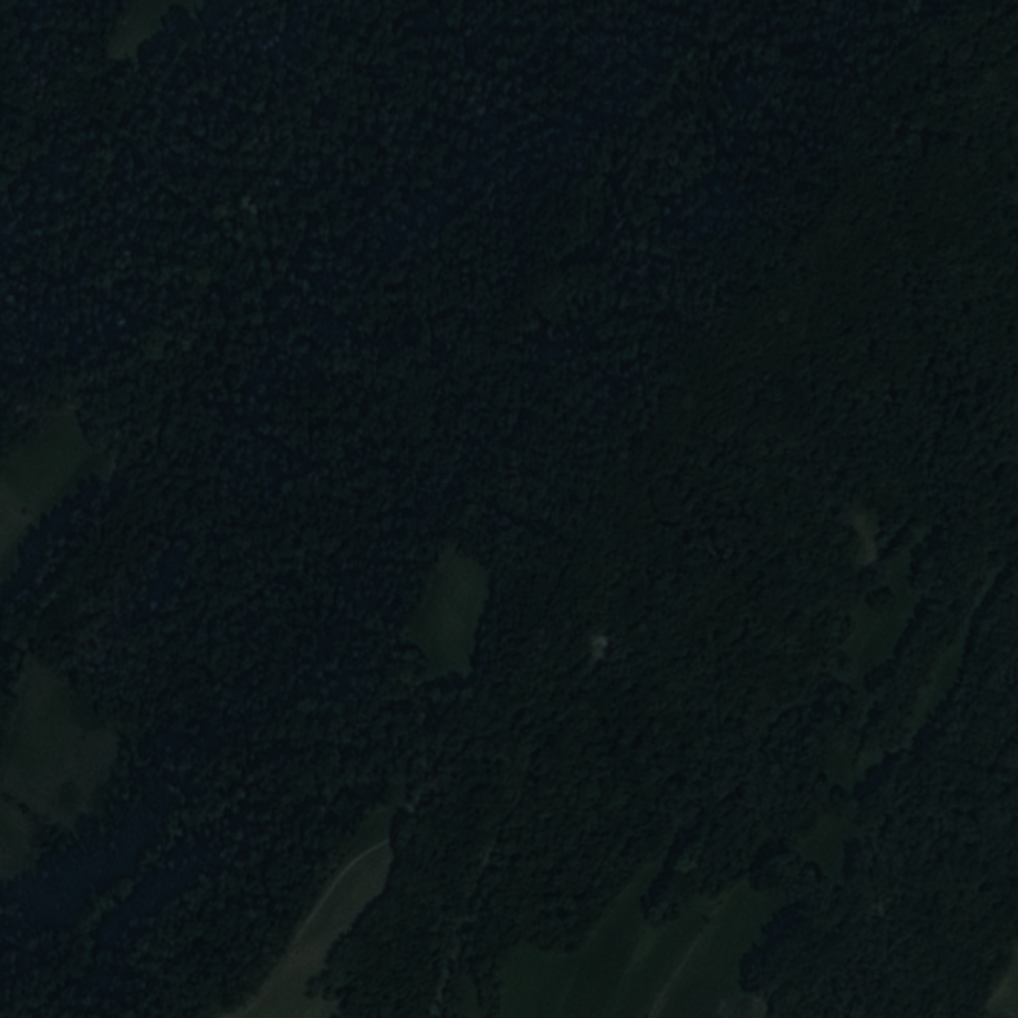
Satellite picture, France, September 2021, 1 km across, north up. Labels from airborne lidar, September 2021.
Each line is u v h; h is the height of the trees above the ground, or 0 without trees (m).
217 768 27
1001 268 27
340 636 18
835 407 29
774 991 16
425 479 25
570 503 10
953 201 22
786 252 19
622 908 0
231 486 26
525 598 15
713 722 31
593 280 27
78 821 0
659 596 31
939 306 27
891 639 0
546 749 23
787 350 23
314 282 18
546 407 29
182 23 0
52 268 24
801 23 27
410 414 27
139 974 19
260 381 17
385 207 27
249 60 10
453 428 31
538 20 28
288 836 22
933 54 23
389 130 25
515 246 29
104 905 26
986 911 25
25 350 28
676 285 21
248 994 17
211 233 6
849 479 28
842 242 19
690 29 30
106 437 22
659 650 24
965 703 15
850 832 0
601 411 25
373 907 8
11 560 0
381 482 26
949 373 19
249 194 24
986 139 20
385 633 28
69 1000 32
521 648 16
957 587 24
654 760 21
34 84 23
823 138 20
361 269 28
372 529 30
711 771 28
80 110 26
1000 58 18
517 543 22
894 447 30
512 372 30
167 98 27
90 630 19
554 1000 0
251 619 20
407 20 6
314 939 0
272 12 25
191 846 9
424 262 22
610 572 26
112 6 24
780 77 21
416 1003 12
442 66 29
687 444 26
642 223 31
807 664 14
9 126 12
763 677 14
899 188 27
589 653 15
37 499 0
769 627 12
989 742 23
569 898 23
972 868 24
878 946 16
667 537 26
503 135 30
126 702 20
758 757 30
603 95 27
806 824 22
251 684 25
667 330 26
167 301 15
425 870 23
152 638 25
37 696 0
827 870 0
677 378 19
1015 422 26
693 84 7
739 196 15
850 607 17
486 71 24
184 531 29
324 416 10
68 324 29
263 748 17
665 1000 0
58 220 26
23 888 0
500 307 24
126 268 36
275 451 20
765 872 22
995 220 23
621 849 23
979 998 18
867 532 0
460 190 20
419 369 23
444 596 0
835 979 11
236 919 28
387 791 21
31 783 0
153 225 27
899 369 25
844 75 36
